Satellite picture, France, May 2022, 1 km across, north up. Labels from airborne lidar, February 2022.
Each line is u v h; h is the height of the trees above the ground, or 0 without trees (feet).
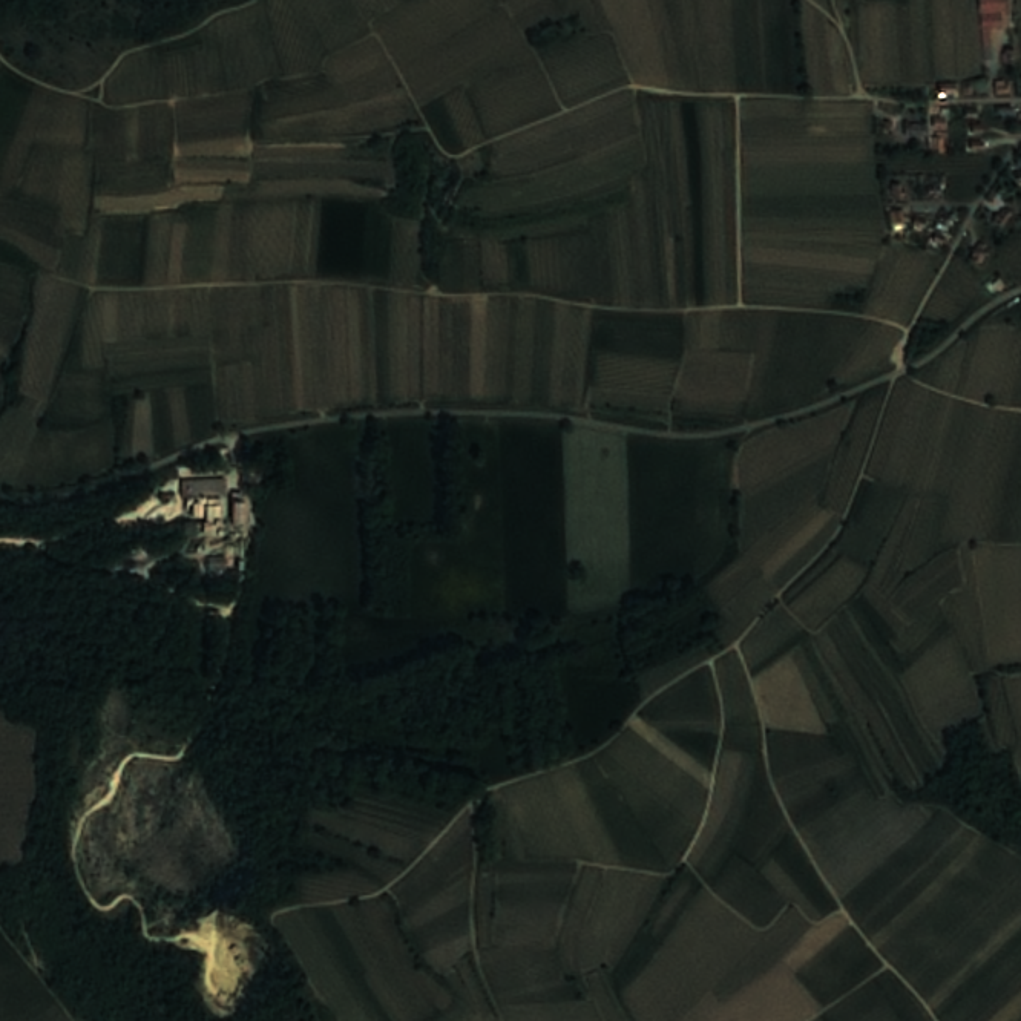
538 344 0
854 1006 0
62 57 0
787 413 0
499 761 0
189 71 0
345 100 0
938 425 0
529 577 0
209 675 57
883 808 0
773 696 0
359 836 0
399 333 0
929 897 0
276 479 22
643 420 0
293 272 0
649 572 0
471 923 0
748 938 0
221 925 0
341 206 0
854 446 0
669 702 0
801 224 0
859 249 0
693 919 0
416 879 0
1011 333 0
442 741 60
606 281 0
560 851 0
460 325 0
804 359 0
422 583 0
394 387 0
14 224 0
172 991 43
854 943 0
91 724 33
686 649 24
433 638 0
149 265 0
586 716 0
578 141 0
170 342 0
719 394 0
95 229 0
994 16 0
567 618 0
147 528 34
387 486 38
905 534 0
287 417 0
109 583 55
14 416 0
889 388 0
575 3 0
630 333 0
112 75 0
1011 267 0
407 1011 0
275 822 21
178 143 0
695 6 0
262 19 0
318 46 0
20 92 0
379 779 49
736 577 0
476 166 0
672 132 0
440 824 0
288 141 0
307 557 0
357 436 0
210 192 0
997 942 0
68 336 0
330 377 0
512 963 0
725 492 0
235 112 0
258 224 0
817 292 0
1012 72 39
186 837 0
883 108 0
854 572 0
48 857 20
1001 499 0
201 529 0
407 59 0
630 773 0
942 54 0
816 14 0
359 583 0
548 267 0
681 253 0
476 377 0
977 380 0
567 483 0
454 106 0
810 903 0
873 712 0
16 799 0
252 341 0
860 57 0
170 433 0
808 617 0
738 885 0
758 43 0
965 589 0
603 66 0
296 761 72
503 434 0
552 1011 0
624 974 0
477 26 0
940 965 0
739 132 0
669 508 0
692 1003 0
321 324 0
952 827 0
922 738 0
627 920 0
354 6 0
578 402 0
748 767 0
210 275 0
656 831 0
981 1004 0
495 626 37
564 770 0
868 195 0
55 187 0
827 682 0
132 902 0
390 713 62
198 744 38
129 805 0
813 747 0
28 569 54
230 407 0
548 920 0
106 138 0
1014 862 0
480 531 0
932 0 0
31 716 39
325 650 62
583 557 0
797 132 0
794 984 0
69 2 0
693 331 0
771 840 0
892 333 0
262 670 68
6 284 0
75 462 0
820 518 0
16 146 0
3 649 38
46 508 67
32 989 0
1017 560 0
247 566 41
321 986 0
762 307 0
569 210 0
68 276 0
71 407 0
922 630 0
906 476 0
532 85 0
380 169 0
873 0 0
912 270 0
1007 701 0
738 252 0
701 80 0
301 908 0
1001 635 0
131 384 0
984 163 0
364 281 0
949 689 0
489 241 0
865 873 0
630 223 0
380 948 0
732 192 0
